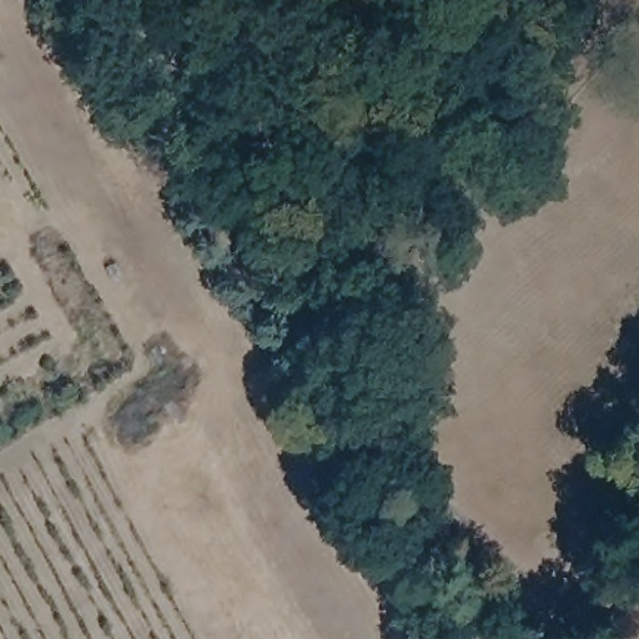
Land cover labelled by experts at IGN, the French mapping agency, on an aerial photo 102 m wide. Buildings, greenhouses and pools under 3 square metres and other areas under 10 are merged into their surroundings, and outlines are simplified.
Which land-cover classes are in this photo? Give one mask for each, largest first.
<instances>
[{"label":"herbaceous vegetation","instance_id":"1","mask_svg":"<svg viewBox=\"0 0 639 639\"><path fill-rule=\"evenodd\" d=\"M22 170H30L42 197L47 200V207H35L25 197L27 185L22 180ZM167 182V175L160 170V165H147L142 155L132 152L130 147L125 150L107 145V140L90 122V107L80 102V92L67 82L60 65L55 62L50 45H40L35 35H30L25 0H0V290H2V285H5V282H12L15 277H17V282H20V292H17V297H15V300H12V302H10L7 307H2V310H0V354L27 334L42 329L50 332V339L37 342L35 347L0 364V384L7 377L40 374L42 354H50L55 359L70 354V347L77 339V334L70 327L62 310L52 302L42 272L37 262L30 257V235L35 230L52 227L70 245L85 277L100 292L105 310L112 315V322L117 324V329L132 349V362L127 372L112 377L107 384L87 394L82 404L67 409L60 417L42 419L40 424L27 427L17 439L0 447V639H407L404 632H397L392 627L397 607L389 584L379 582L372 589L359 572L344 567L337 557V549L320 537L317 524H322V519L312 509L307 512V507L315 499H322L334 487L339 472L349 462H354L352 449H334L327 459H317L312 454H290L275 444L272 432L265 427V419L282 404L275 397L280 387L272 382V362L282 359V352L295 349L302 337L322 339V312L317 307H300L287 317V337L277 349H252L247 332L252 327H262L272 310H265L260 302H252L250 322L242 327V322H237L225 305L217 302V297L207 287H202L200 260L195 257L190 245L182 242L172 222L165 220L160 187ZM162 332H167L182 352V367L200 369V384L187 394L185 419H170L142 444L122 447L117 439V427L110 422V414H115L120 399L130 394L132 384L150 372L145 342ZM402 10V2L392 0H334L327 5V17L347 22L359 20V25L369 32L397 25V12ZM192 52L190 42H182L175 55V67L165 65L162 70L172 72L175 80L182 77ZM574 82L567 90V100L579 107L582 125L572 127L564 140L567 160L562 175L567 195L562 202H547L537 210V215L519 217L509 225H502L499 217L489 210L479 215L482 225L474 232L477 242L482 245L479 262L469 270V280L462 287L437 297V307L447 310L454 317V329L449 332L454 342V417H444L434 424L437 459L439 464L452 467L449 512L457 522L474 524L484 534V539L494 542L499 547V554L514 567V574L519 577L522 587L524 614L534 609L542 617L554 619L557 624L564 614L569 622H577L579 627L594 622L604 607L594 604V599L577 587L579 557L592 554L594 544H599L607 537L609 527H614L617 522L622 524V517L634 519L639 509V499L619 489L614 482L592 477L587 472V462L592 454L622 449L627 434L639 429V122H629L627 117L614 112V100L602 102L587 87V57L577 55L572 60ZM482 110L477 97H469L454 112L434 120L429 130L432 137H442L447 127H457L472 112ZM295 137V127L290 122H282L277 127H270L267 132L240 135L235 140L240 167H245L250 160H265L267 165L280 162L282 145ZM250 225L237 220L230 227V232H220L215 240L230 247V265L242 272V282H247L250 287L252 270L245 265L240 237L247 232ZM379 252L374 242H367L364 247L349 250L342 262L334 265V270L349 272L359 262H374ZM387 282L397 285L399 290L412 287L417 282V270L409 267L404 272L387 275Z\"/></svg>","mask_w":639,"mask_h":639},{"label":"deciduous trees","instance_id":"2","mask_svg":"<svg viewBox=\"0 0 639 639\"><path fill-rule=\"evenodd\" d=\"M334 0H25L30 35H35L40 45H50L55 62L60 65L67 82L80 92V102L90 107V122L107 140V145L125 150L130 147L132 152L142 155L147 165H160V170L167 175V182L160 187L165 220L172 222L182 242L190 245L195 257L200 260L202 287H207L217 297V302L225 305L237 322H242V327L250 322L252 302H260L265 310H272L262 327H252L247 332L252 349H277L287 337V317L300 307H317L322 312V339L302 337L295 349L282 352V359L272 362V382L280 387L275 397L282 404L265 419V427L272 432L275 444L290 454H312L317 459H327L334 449H352L354 462H349L339 472L334 487L322 499H315L307 507V512L312 509L322 519V524H317L320 537L337 549V557L344 567L359 572L372 589L379 582L389 584L397 607L392 627L397 632H404L407 639H639V509L634 519L622 517V524L617 522L614 527H609L607 537L599 544H594L592 554L579 557L577 587L594 599V604L604 607L594 622L579 627L577 622H569L564 614L557 624L554 619L542 617L534 609L524 614L522 587L519 577L514 574V567L499 554V547L494 542L484 539V534L474 524L457 522L449 512L452 467L439 464L437 459L434 424L444 417H454V342L449 332L454 329V317L447 310L437 307V297L462 287L469 280V270L479 262L482 245L477 242L474 232L482 225L479 215L489 210L499 217L502 225H509L519 217L537 215V210L547 202H562L567 195L562 175L567 160L564 140L572 127L582 125L579 107L567 100V90L574 82L572 60L577 55L587 57V87L602 102L614 100V112L627 117L629 122H639V0H392L402 2V10L397 12V25L369 32L359 25V20L347 22L327 17V5ZM182 42H190L192 52L182 77L175 80L172 72L162 70L165 65L175 67V55ZM469 97H477L482 110L472 112L457 127H447L442 137H432L429 130L434 120L454 112ZM282 122H290L295 127V137L282 145L280 162L267 165L265 160H250L245 167H240L235 140L240 135L267 132L270 127H277ZM237 220L250 225L247 232L240 237L245 265L252 270L250 287L247 282H242V272L230 265V247L215 240L220 232H230V227ZM367 242H374L379 252L374 262H359L349 272L334 270V265L342 262L349 250L364 247ZM409 267L417 270V282L412 287L399 290L397 285L387 282V275L404 272ZM22 180L27 185L25 197L35 207H47V200L42 197L30 170H22ZM17 292H20V282H17V277H15L12 282H5V285H2V290H0V310H2V307H7L10 302H12V300H15V297H17ZM50 339V332L42 329L27 334L0 354V364L35 347L37 342ZM62 377L55 359L50 354H42L40 374L42 382ZM132 362H92L87 374L70 377L67 387L60 394L42 389L37 397L15 402L5 414H0V447L17 439L27 427L40 424L42 419L60 417L67 409L82 404L87 394L107 384L112 377L127 372ZM587 472L592 477L614 482L619 489L639 499V429L627 434L622 449L592 454L587 462Z\"/></svg>","mask_w":639,"mask_h":639},{"label":"brushwood","instance_id":"3","mask_svg":"<svg viewBox=\"0 0 639 639\"><path fill-rule=\"evenodd\" d=\"M30 257L37 262L42 272L52 302L62 310L70 327L77 334V339L70 347V354L55 359L62 377L42 382L40 374L7 377L0 384V414H5L15 402L37 397L42 389L60 394L67 387L70 377L87 374L92 362H132V349L117 329V324L112 322V315L105 310L100 292L85 277L70 245L52 227L35 230L30 235ZM150 372L132 384L130 394L120 399L115 414H110V422L117 427V439L122 447L142 444L170 419H185L187 394L200 384V369L182 367V352L167 332H162L145 342Z\"/></svg>","mask_w":639,"mask_h":639}]
</instances>
